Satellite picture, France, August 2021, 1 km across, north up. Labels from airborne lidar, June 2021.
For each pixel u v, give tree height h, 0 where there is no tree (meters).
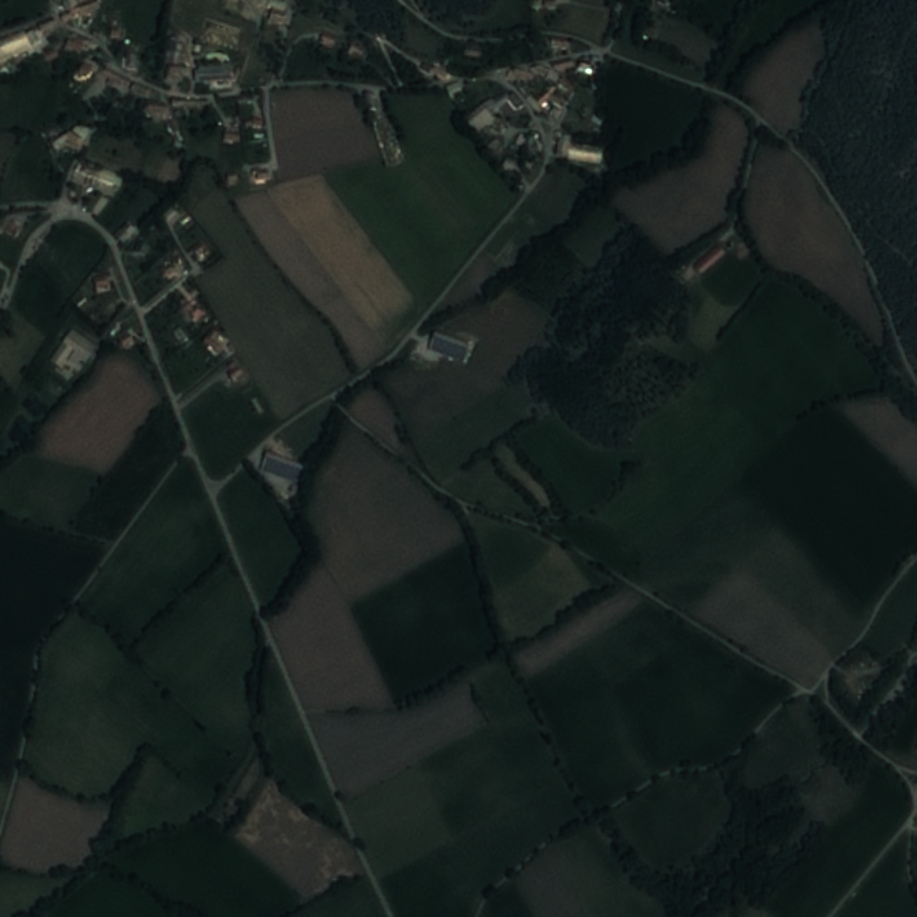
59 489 0
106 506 0
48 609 0
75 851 0
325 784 0
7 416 0
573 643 0
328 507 0
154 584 0
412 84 9
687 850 0
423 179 0
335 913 0
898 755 0
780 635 0
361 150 0
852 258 0
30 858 0
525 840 0
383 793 0
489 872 0
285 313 0
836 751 10
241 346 0
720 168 0
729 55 15
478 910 0
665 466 0
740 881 10
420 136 0
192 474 0
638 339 8
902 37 7
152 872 0
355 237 0
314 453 14
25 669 0
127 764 0
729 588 0
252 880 0
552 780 0
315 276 0
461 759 0
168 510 0
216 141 0
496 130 0
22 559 0
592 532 0
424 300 0
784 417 0
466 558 0
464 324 0
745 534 0
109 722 0
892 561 0
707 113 9
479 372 0
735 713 0
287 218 0
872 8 9
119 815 9
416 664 0
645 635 0
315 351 0
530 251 12
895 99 8
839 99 7
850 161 6
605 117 13
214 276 0
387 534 0
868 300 0
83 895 0
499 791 0
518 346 0
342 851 0
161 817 0
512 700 0
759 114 0
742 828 14
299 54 0
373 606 0
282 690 0
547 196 0
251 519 0
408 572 0
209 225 0
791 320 0
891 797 0
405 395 0
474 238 0
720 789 0
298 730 0
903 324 9
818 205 0
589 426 15
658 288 15
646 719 0
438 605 0
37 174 0
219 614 0
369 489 0
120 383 0
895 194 7
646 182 14
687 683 0
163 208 10
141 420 0
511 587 0
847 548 0
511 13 0
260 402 0
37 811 0
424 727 0
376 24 13
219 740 0
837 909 0
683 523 0
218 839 0
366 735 0
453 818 0
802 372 0
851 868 0
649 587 0
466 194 0
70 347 0
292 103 0
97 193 8
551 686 0
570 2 0
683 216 0
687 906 18
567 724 0
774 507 0
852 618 0
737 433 0
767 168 0
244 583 0
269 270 0
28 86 0
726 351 0
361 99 14
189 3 0
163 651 0
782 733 0
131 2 0
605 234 0
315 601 0
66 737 0
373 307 0
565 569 0
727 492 0
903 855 0
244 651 0
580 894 0
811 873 0
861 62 8
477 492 0
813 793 0
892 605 0
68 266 0
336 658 0
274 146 0
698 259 8
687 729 0
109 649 0
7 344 0
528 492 10
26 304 0
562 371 10
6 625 0
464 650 0
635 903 0
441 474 0
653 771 0
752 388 0
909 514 0
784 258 0
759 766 0
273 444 0
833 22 11
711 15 10
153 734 0
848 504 0
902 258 9
